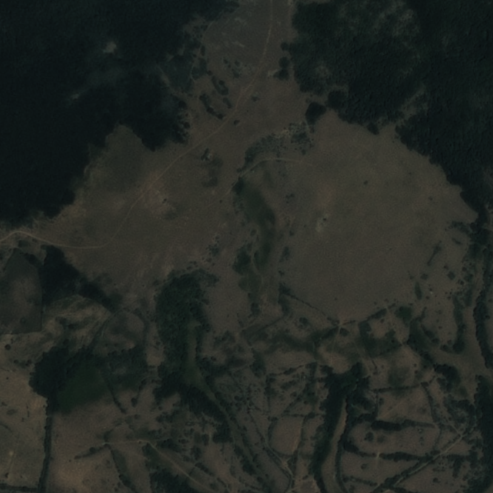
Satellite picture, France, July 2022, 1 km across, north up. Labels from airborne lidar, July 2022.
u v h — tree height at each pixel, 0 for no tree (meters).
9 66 15
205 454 0
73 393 0
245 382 0
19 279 0
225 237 0
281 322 0
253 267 0
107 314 0
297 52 9
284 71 7
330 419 16
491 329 0
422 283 0
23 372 0
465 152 12
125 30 10
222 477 0
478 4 10
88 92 7
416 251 0
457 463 7
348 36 7
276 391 0
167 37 6
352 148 0
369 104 17
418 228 0
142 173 0
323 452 6
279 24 0
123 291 0
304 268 0
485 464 7
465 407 8
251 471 11
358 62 10
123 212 0
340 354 0
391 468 0
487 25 23
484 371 0
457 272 0
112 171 0
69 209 0
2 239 0
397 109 7
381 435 0
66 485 0
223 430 6
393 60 14
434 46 10
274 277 0
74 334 0
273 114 0
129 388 0
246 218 0
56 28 7
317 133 0
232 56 0
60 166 17
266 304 0
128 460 0
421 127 15
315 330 0
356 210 0
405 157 0
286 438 0
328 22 7
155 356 0
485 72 13
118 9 13
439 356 0
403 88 14
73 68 8
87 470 0
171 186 0
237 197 0
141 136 11
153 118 11
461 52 13
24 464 0
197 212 0
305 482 0
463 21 14
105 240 0
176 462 0
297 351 0
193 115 0
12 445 0
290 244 0
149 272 0
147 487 0
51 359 10
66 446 0
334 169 0
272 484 0
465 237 0
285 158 0
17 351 0
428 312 0
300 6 7
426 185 0
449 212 0
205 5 5
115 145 0
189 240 0
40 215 0
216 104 0
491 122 16
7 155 19
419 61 7
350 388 14
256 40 0
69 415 0
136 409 0
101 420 0
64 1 6
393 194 0
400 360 0
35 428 0
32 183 18
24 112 15
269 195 0
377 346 0
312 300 0
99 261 0
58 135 15
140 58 7
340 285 0
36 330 0
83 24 7
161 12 6
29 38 7
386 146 0
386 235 0
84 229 0
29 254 6
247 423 0
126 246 0
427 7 19
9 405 0
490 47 25
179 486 10
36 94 12
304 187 0
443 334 0
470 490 9
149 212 0
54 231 0
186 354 8
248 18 0
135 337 0
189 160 0
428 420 0
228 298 0
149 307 0
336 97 13
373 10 7
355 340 0
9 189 18
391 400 0
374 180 0
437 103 16
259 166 0
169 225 0
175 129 9
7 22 8
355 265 0
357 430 0
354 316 0
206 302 7
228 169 0
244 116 0
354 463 0
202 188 0
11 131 19
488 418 14
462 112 8
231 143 0
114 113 11
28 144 16
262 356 0
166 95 7
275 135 0
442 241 0
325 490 14
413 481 0
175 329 8
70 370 13
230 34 0
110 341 0
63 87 8
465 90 6
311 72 7
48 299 11
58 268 11
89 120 10
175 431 0
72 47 9
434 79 16
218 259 0
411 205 0
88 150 9
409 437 0
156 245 0
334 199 0
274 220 0
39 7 7
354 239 0
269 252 0
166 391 12
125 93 6
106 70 6
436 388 0
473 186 13
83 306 0
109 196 0
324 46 12
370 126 7
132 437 0
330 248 0
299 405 0
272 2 0
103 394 0
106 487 0
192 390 16
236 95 0
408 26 9
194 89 0
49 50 10
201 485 0
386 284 0
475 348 0
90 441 0
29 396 0
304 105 0
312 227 0
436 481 9
